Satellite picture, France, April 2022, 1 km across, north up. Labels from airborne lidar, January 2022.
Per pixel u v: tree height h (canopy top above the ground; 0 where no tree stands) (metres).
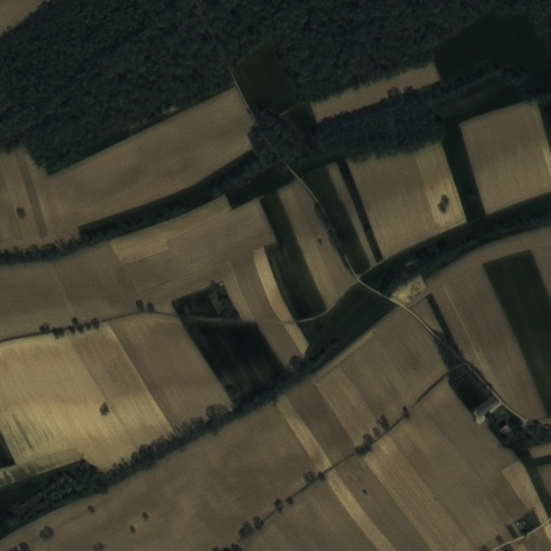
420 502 0
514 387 0
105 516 0
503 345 0
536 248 0
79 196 0
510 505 0
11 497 0
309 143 0
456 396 0
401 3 30
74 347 0
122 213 0
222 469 0
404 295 0
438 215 0
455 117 0
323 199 0
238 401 0
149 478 0
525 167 0
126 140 0
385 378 0
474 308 0
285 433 0
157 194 0
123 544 0
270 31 33
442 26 33
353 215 0
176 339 0
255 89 0
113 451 0
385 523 0
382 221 0
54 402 0
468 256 0
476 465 0
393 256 0
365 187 0
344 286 0
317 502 0
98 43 22
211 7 29
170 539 0
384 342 0
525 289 0
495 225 0
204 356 0
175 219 0
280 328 0
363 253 0
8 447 0
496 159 0
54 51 29
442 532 0
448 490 0
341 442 0
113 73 28
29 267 0
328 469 0
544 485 0
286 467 0
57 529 0
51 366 0
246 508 0
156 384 0
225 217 0
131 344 0
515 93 0
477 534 0
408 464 0
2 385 0
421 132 40
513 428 0
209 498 0
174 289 0
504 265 0
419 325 0
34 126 24
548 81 0
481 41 0
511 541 0
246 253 0
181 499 0
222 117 0
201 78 29
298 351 0
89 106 29
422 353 0
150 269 0
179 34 32
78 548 0
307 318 0
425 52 28
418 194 0
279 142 34
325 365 0
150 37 15
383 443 0
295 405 0
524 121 0
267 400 19
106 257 0
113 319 0
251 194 0
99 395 0
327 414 0
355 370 0
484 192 0
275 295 0
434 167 0
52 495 12
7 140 31
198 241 0
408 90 0
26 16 0
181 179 0
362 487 0
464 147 0
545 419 0
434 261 35
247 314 0
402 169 0
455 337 0
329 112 0
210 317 0
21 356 0
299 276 0
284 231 0
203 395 0
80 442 0
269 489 0
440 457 0
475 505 0
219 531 0
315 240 0
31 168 0
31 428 0
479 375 19
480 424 0
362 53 35
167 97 27
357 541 0
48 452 0
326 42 33
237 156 0
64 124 29
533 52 0
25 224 0
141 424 0
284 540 0
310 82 29
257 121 11
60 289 0
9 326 0
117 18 20
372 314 0
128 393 0
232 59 28
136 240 0
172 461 0
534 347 0
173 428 0
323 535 0
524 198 0
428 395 0
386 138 42
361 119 22
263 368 0
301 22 29
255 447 0
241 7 31
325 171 0
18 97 29
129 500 0
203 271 0
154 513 0
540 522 0
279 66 0
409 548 0
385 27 34
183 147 0
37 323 0
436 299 0
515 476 0
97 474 21
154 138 0
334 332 0
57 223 0
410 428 0
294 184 0
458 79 0
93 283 0
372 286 0
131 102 34
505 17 0
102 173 0
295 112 0
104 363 0
